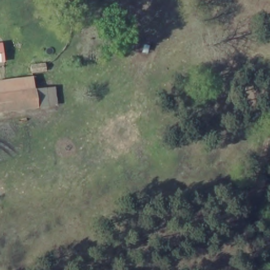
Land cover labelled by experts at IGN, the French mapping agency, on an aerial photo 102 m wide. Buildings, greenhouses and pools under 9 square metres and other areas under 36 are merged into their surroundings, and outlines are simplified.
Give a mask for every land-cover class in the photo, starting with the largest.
<instances>
[{"label":"herbaceous vegetation","instance_id":"1","mask_svg":"<svg viewBox=\"0 0 270 270\"><path fill-rule=\"evenodd\" d=\"M193 0H86V5L95 16L100 8L104 9L112 3H118L119 8L128 12L126 23L134 17L137 19L138 43H131L128 52L122 58L113 55V60L109 59L107 63L97 66L95 55L99 46L111 45L113 40L97 38V28L92 25L94 20L85 17L80 33L72 32L69 42L64 46L52 30H47L46 21L36 14L33 0H0V43H3L5 52V61L0 62V81L34 77L36 88H56L59 103L57 107H50L39 101L37 109H30L24 112V115L8 112L0 117V270H25L33 256L43 255L49 258L51 270H160L152 261L153 248L149 245L150 236L159 233V242L163 245L170 244L174 249L184 242L185 236L173 233L168 228L172 211L162 218L154 215L151 229L141 228L138 219L144 206L158 194L171 196L180 189L181 200L186 201L191 207L192 225L198 227L205 221L202 215L204 206L197 204L194 193L198 191L207 196L213 195L214 188L219 185L229 189L233 199L237 194H244L242 200L248 207V215L235 216L227 213V205L225 202L221 204L215 218L224 221L230 232L219 237V253L212 256L204 242H197L193 246L196 256H189L186 259L180 255L176 258L169 250H160L161 256L168 257L171 270H238L230 263L232 255L236 254L234 238L238 235L248 243L243 254L248 253L253 257L250 270H270V236L259 230L249 233L246 228L255 225L262 216L261 211L266 210L270 186V144L269 147L263 144L253 146L247 141L244 128H237L236 134L232 135L221 123V117L231 113L234 105L227 100L226 93L219 94L217 98L209 100L204 105L195 104L185 91L190 79L188 71L195 65L204 63L213 73H224L225 79L231 83L234 74L247 63H252L256 69L264 71L270 77V42H256L249 36L252 34V15L259 12L270 13V0H202L219 22L209 26L208 22H201L193 16L190 2ZM76 55H82V64L75 73L62 72L58 69L57 66L62 59H73ZM42 61H47V69L44 73L34 74L33 65ZM155 80L165 86V90L174 95L175 99L180 97L184 101L188 117H193L195 113L200 116L199 126L196 128L200 134L216 132L217 137L221 139L218 148H213L209 154H205L198 149L199 141H194L189 146L174 148L172 152L160 146L158 127L161 124L172 127L175 122L170 118L169 112L154 110L149 92L153 89ZM245 150L258 153V170L251 178L232 179L230 174L233 163ZM124 188H129L132 193L134 214H118L111 208L113 200ZM97 213L112 219L111 224L116 228L113 236L118 240V246H107L102 250L103 258L98 262L89 255V249L95 247L97 242L91 239L90 233L86 230V226L92 223L91 217ZM243 94L249 105L250 121H258L261 112L256 109L257 99L252 86L247 88L244 85Z\"/></svg>","mask_w":270,"mask_h":270},{"label":"coniferous trees","instance_id":"2","mask_svg":"<svg viewBox=\"0 0 270 270\"><path fill-rule=\"evenodd\" d=\"M252 34L249 36L256 42H270V13L259 12L252 15ZM244 85L247 88L252 86L257 99L256 109L261 112L265 110L266 113H270V77L264 71L256 69L252 63H247L234 74L231 83L225 79L223 90L219 94L226 93L227 100L234 105L231 113L221 117V123L232 135L236 134L237 128H244L250 121L249 105L243 94ZM154 110L169 112L170 118L175 122L172 127L161 124L158 127L160 146L172 152L174 148L189 146L194 141H199L198 149L205 154H209L213 148H218L221 139L217 137L216 132L200 134L196 128L199 126L200 116L195 113L193 117H188L184 101L180 97L175 99L174 95L165 90V86L155 80L153 89L149 92ZM213 195L207 196L198 191L194 193L197 204L204 206L202 215L205 221L198 227L192 225L191 207L186 201L181 200L180 189L171 196L158 194L144 206L138 219L141 228L151 229L154 215L162 218L172 211L168 228L173 233L185 236L184 242L174 249L170 244L163 245L159 242V233L150 236L149 245L153 248L152 261L160 270H171L168 257L161 256L160 250H169L176 258L180 255L186 259L189 256H196L193 246L197 242H204L212 256L219 253V237L230 232L224 221L215 218L221 204L225 202L227 205V213L235 216L248 215V207L242 200L244 194H237L233 199L229 189L219 185L214 188ZM266 210L261 211L262 216L255 225L246 228L249 233L259 230L270 236V186ZM132 193L129 188H124L113 200L111 208L118 214H134ZM92 223L86 226V230L90 233L91 239L97 242L95 247L89 249V255L98 262L103 258L102 250L107 246H118V240L113 236L116 228L111 224L112 219L97 213L91 217ZM248 243L238 235L234 238L236 254L232 255L230 263L238 270H250L253 257L248 253L243 254ZM25 270H51L49 258L43 255L33 256Z\"/></svg>","mask_w":270,"mask_h":270},{"label":"deciduous trees","instance_id":"3","mask_svg":"<svg viewBox=\"0 0 270 270\"><path fill-rule=\"evenodd\" d=\"M36 14L46 21L47 30H52L64 46L69 42L72 32L80 33L85 17L94 20L92 25L97 28V38L113 40L111 45L99 46L95 55L97 66L107 63L109 59L113 60V55L122 58L128 52L131 43H138L137 19L134 17L126 23L128 12L119 8L118 3H112L104 9L100 8L95 16L86 5V0H33ZM193 16L201 22H208L209 26L219 22L202 0H193L190 2ZM82 55H76L73 59H62L57 66L58 69L62 72L75 73L82 64ZM190 79L185 91L195 104L204 105L209 100L217 98L219 94L223 90L225 79L224 73H213L204 63L195 65L188 71ZM247 141L253 146L263 144L269 147L270 144V113H266L265 110L261 112L258 121H250L244 128ZM258 153L245 150L233 163L230 174L232 179L251 178L258 170Z\"/></svg>","mask_w":270,"mask_h":270},{"label":"building","instance_id":"4","mask_svg":"<svg viewBox=\"0 0 270 270\"><path fill-rule=\"evenodd\" d=\"M5 61V52L3 43H0V62ZM47 61H42L33 65L34 74L44 73L47 69ZM39 101L50 107H57L59 103L56 88H36L34 77L0 81V117L8 112L24 115V112L30 109H37Z\"/></svg>","mask_w":270,"mask_h":270}]
</instances>
